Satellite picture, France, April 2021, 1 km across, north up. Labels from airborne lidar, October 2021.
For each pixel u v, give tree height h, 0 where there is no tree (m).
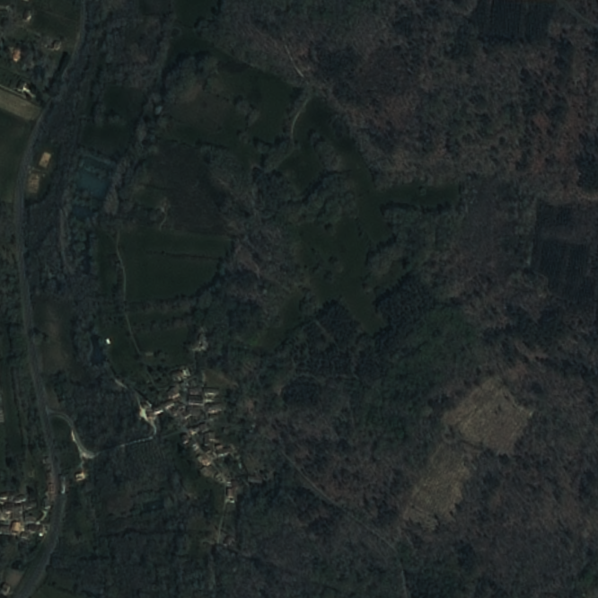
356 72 19
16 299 17
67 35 0
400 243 18
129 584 15
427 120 14
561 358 11
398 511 13
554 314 7
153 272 0
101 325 11
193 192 0
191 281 0
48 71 22
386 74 18
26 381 12
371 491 6
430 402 28
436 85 8
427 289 16
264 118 0
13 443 0
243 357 22
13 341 17
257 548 16
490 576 8
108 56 19
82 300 23
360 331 8
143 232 0
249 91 0
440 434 21
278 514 27
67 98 16
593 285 6
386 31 10
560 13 6
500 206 10
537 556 12
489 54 25
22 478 13
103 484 20
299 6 16
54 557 11
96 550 14
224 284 19
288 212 24
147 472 27
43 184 0
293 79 21
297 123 0
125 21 14
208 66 25
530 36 6
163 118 12
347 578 17
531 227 19
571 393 13
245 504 18
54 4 0
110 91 0
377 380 18
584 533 17
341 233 0
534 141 15
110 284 0
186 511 23
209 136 0
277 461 17
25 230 17
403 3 13
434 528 0
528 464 16
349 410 17
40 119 0
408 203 0
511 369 23
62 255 32
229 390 0
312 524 19
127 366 0
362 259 0
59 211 20
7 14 0
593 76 13
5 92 0
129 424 9
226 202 20
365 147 21
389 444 14
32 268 21
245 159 0
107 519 6
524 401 10
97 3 32
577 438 23
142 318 0
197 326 7
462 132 25
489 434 0
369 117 18
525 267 14
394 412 13
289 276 24
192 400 0
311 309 16
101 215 14
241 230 18
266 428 19
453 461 0
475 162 23
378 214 0
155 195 0
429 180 17
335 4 18
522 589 13
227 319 14
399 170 13
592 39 20
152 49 7
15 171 0
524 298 12
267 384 25
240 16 23
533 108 16
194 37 0
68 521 6
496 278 7
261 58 24
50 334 0
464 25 13
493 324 10
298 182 0
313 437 13
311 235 0
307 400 18
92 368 17
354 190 0
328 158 23
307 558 18
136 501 10
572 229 7
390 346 21
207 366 6
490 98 11
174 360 0
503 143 7
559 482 13
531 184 10
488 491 18
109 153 0
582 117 11
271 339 0
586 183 25
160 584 13
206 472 0
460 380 12
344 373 13
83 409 19
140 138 26
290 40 9
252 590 12
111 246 0
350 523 18
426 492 0
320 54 19
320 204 21
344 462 9
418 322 15
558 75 10
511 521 13
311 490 0
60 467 8
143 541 18
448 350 15
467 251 10
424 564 13
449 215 22
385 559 14
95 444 22
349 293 0
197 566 14
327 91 14
